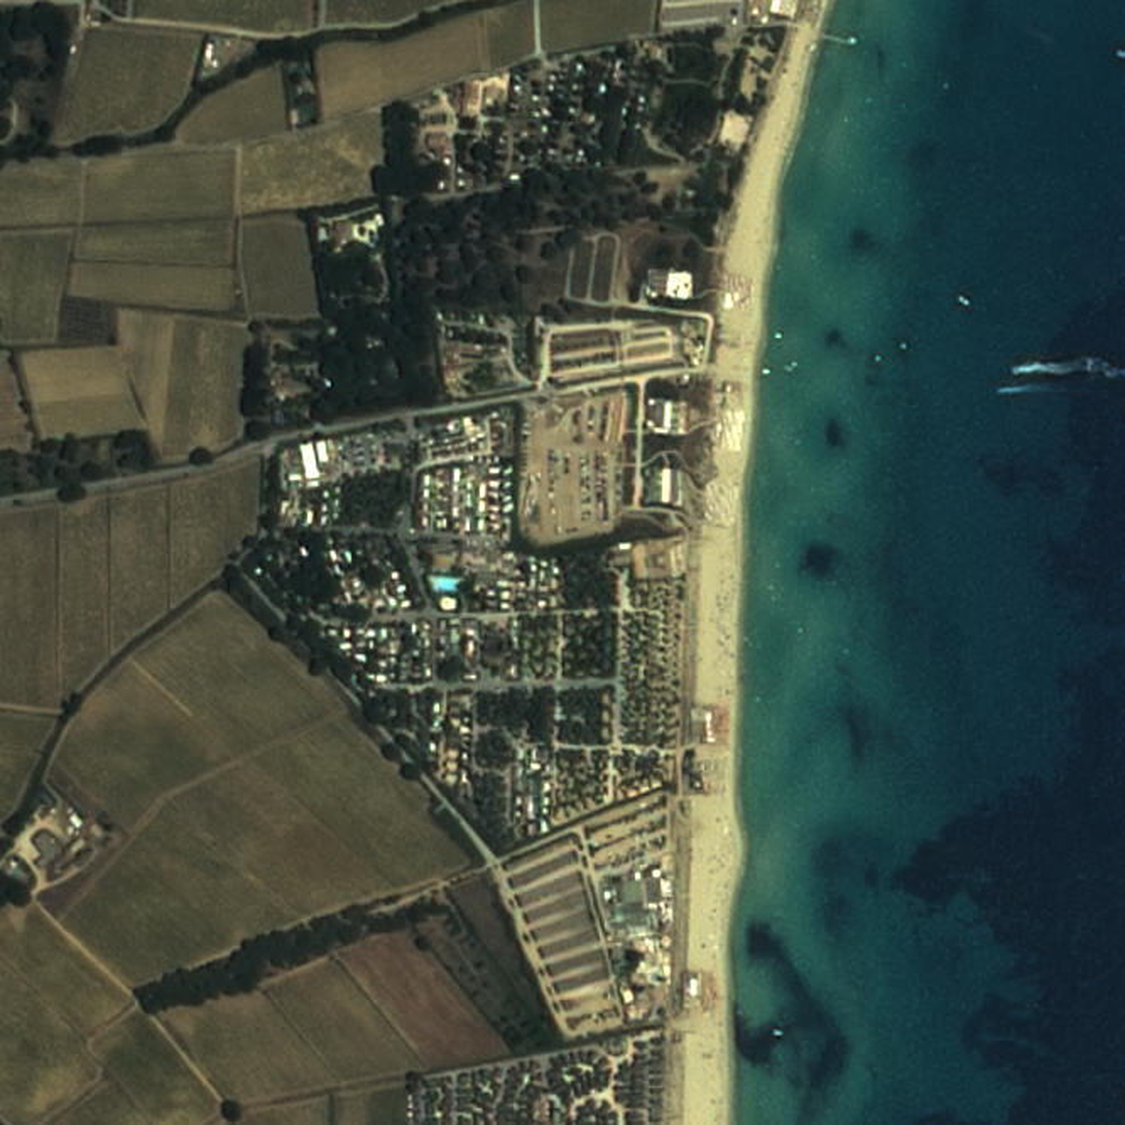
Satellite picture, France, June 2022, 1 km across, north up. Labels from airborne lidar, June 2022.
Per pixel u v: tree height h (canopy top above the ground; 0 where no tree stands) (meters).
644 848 0
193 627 0
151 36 0
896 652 0
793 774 0
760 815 0
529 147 12
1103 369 0
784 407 0
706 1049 0
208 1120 0
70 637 0
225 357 0
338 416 14
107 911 0
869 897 0
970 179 0
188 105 7
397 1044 0
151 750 0
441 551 0
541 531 0
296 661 0
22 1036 0
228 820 0
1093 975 0
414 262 14
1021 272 0
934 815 0
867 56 0
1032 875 0
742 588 0
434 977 0
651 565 0
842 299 0
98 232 0
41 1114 0
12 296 0
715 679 0
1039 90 0
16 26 13
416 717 9
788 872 0
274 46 14
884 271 0
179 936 0
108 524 0
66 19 13
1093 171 0
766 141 0
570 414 0
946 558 0
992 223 0
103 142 16
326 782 0
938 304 0
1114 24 0
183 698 0
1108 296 0
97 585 0
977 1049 0
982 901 0
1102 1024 0
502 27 0
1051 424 0
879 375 0
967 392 0
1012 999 0
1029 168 0
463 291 8
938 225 0
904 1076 0
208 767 0
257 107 0
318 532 10
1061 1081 0
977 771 0
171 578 0
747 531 0
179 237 0
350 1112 0
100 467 8
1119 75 0
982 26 0
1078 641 0
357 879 0
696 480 0
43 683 0
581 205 15
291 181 0
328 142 0
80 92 0
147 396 0
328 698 0
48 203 0
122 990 0
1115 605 0
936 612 0
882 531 0
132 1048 0
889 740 0
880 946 0
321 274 10
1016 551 0
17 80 11
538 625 8
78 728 0
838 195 0
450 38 0
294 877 0
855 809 0
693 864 0
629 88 9
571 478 0
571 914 0
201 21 0
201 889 0
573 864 0
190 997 10
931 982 0
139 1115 0
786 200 0
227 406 0
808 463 0
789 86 0
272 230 0
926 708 0
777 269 0
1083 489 0
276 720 0
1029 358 0
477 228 16
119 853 0
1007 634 0
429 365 6
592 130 11
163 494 0
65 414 0
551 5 0
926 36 0
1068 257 0
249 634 0
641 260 0
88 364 0
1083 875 0
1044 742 0
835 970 0
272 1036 0
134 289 0
